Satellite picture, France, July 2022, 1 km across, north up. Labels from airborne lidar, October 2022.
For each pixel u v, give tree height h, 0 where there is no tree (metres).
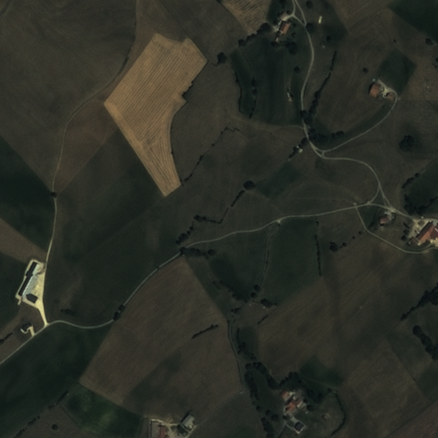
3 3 0
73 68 0
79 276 0
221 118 0
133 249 0
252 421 0
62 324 0
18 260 0
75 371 0
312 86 0
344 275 0
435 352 25
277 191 0
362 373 0
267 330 0
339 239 0
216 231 0
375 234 0
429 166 0
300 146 11
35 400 0
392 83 0
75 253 0
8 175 0
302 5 0
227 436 0
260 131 0
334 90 0
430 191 0
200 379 0
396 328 0
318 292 0
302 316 0
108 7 0
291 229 0
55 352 0
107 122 0
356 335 0
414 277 0
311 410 13
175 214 0
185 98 6
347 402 0
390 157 0
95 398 0
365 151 0
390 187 0
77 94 0
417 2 0
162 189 0
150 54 0
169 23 0
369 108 0
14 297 0
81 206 0
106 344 0
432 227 0
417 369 0
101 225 0
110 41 0
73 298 0
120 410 0
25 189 0
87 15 0
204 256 9
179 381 0
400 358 0
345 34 0
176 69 0
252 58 0
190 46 0
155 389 0
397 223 0
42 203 0
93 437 0
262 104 0
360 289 0
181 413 0
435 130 0
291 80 0
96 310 0
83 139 0
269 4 0
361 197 0
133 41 0
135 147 0
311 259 0
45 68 0
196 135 0
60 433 0
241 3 0
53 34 0
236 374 0
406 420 0
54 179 0
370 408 0
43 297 0
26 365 0
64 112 0
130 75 0
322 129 0
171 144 0
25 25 0
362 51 0
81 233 0
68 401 0
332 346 0
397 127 0
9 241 0
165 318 0
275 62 0
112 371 0
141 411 0
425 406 0
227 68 0
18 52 0
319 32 0
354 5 0
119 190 0
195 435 0
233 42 0
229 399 0
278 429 0
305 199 0
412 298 0
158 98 0
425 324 0
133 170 0
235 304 0
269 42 0
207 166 0
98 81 0
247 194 0
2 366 0
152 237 0
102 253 0
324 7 0
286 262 0
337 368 0
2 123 0
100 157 0
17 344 0
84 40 0
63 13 0
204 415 0
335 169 0
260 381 0
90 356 0
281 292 0
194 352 0
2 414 0
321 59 0
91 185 0
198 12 0
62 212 0
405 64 0
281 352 0
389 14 0
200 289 0
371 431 0
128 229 0
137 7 0
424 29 0
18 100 0
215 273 0
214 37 0
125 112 0
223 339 0
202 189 0
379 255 0
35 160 0
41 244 0
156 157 0
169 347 0
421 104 0
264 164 0
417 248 0
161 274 0
